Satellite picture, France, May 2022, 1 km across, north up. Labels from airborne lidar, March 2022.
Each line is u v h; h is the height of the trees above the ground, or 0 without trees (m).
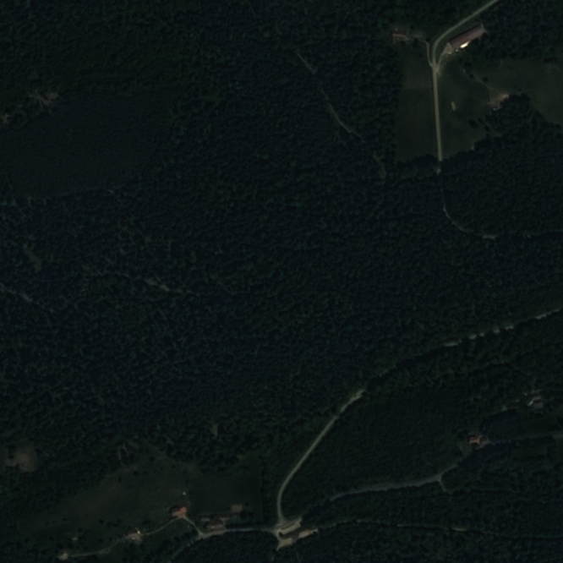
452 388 11
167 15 24
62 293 32
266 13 24
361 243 28
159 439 13
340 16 20
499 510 13
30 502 7
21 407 26
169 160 18
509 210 27
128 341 17
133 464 6
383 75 9
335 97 24
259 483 0
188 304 14
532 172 30
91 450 18
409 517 13
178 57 11
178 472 0
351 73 21
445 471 0
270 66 31
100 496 0
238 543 13
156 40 21
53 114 23
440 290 30
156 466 0
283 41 24
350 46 28
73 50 19
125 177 21
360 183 26
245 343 31
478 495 11
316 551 8
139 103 23
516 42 14
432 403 9
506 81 0
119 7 19
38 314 21
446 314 24
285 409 38
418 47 10
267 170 24
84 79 13
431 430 8
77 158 22
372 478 10
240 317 32
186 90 19
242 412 20
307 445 7
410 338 38
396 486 0
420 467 16
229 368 28
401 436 11
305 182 10
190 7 19
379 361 26
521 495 10
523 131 19
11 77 16
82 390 34
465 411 16
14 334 35
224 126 25
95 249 28
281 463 8
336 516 14
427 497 15
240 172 30
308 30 25
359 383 22
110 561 0
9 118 10
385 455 7
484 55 21
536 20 21
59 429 11
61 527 0
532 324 17
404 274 28
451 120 0
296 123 26
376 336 17
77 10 19
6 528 13
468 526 14
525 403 7
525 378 23
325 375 30
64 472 18
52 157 20
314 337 29
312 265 30
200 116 28
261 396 27
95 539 0
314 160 28
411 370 25
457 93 0
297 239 31
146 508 0
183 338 13
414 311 30
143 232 33
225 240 25
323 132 30
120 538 8
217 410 26
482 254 33
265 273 31
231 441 10
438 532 10
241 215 30
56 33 22
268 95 30
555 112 0
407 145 0
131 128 24
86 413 30
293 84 29
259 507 0
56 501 9
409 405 14
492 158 25
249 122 25
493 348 32
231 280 33
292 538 0
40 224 28
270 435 26
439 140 0
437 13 18
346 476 10
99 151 22
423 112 0
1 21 21
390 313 26
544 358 17
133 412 28
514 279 28
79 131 23
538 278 27
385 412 13
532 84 0
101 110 21
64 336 31
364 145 30
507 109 16
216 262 33
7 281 32
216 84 21
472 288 26
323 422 8
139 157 19
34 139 23
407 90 0
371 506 12
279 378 17
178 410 26
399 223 28
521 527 13
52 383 33
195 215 25
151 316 10
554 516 16
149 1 28
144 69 14
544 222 26
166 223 23
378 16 26
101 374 35
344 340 29
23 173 22
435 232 26
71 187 21
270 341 32
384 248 32
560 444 0
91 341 34
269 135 29
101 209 28
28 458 0
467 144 0
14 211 31
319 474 12
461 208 23
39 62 16
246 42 28
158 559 14
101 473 15
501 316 18
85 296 14
